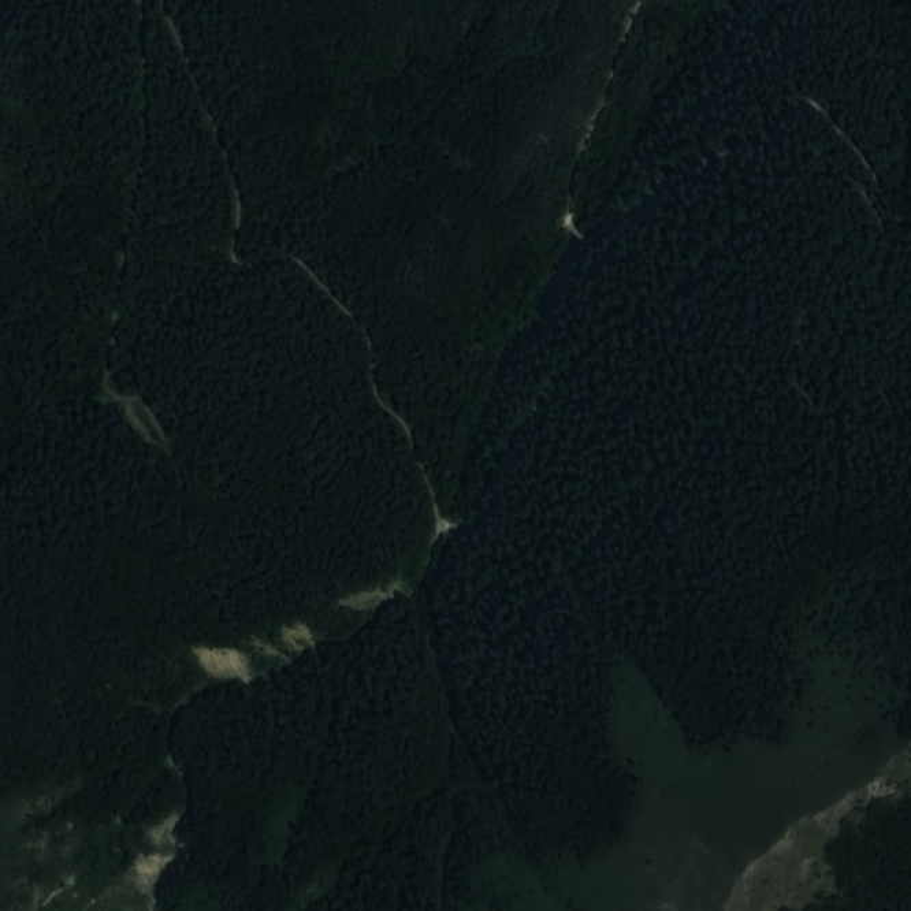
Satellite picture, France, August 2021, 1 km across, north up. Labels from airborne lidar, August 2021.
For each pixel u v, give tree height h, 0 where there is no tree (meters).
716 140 29
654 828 0
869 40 18
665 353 14
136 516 15
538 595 23
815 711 7
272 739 13
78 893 0
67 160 20
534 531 21
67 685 18
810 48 27
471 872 15
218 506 14
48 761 13
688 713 19
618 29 11
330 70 19
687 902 0
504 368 12
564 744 17
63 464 15
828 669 0
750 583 20
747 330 28
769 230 23
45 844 0
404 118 15
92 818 7
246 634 17
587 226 14
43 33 21
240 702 12
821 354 28
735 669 12
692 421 20
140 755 8
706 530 27
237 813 18
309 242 21
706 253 32
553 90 13
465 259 11
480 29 15
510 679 25
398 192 20
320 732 27
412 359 17
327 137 8
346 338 19
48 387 16
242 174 23
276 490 15
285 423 19
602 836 14
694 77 10
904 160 7
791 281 26
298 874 9
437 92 17
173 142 21
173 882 8
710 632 23
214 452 21
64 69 21
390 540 25
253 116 27
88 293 15
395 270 21
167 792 17
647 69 26
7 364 13
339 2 15
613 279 31
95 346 6
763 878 0
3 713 23
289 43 21
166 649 15
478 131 20
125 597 20
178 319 13
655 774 0
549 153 17
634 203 14
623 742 0
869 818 9
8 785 10
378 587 19
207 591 22
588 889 0
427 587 8
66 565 20
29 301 29
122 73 25
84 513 16
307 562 11
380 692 34
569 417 25
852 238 33
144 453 13
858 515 25
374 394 7
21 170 12
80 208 11
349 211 22
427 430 29
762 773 0
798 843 0
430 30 14
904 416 6
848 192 29
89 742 19
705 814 0
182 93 24
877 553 12
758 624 22
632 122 16
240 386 22
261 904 13
